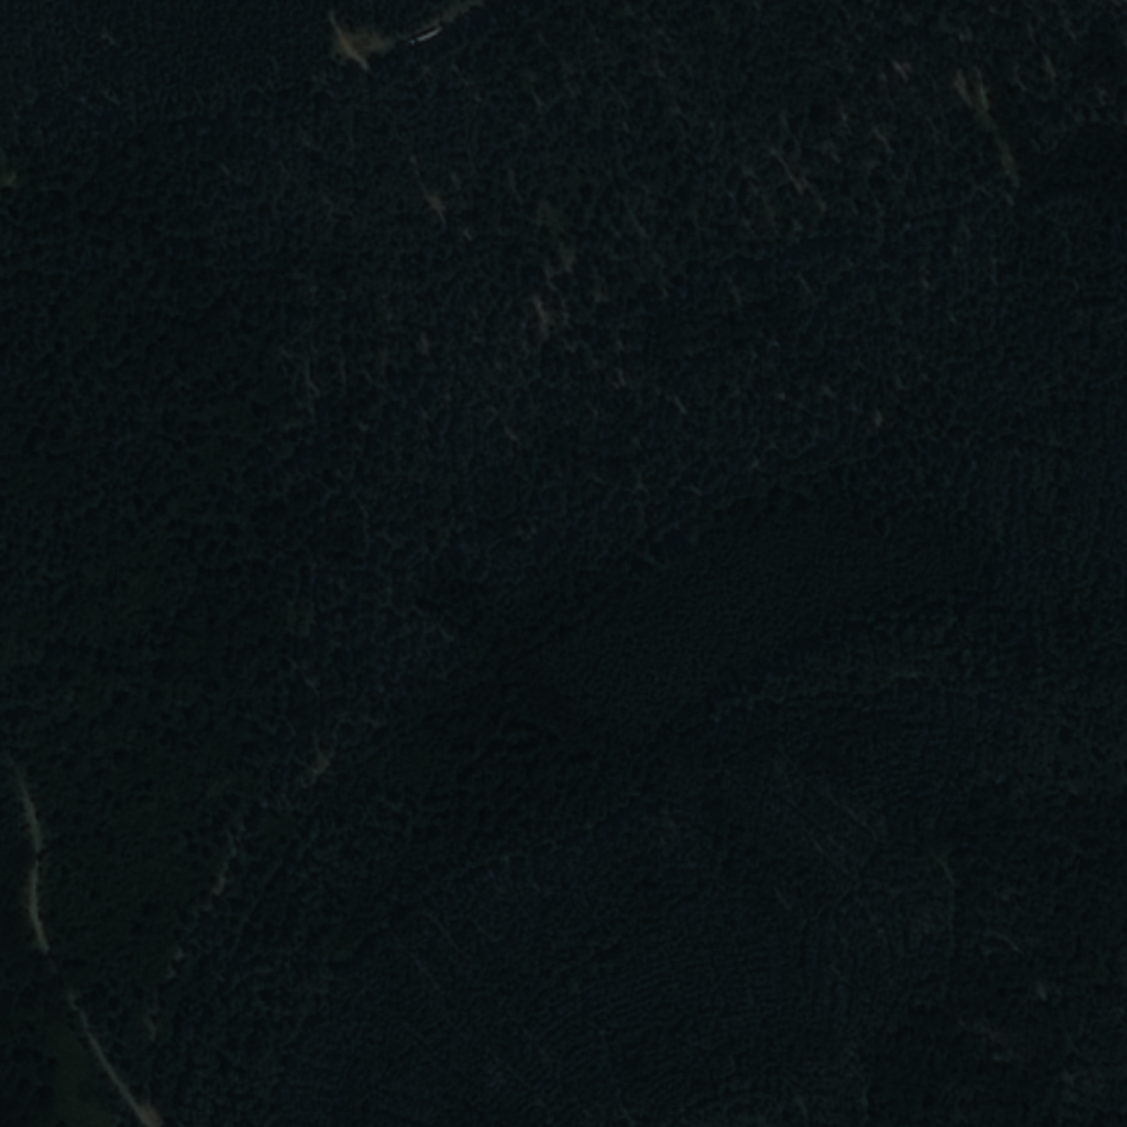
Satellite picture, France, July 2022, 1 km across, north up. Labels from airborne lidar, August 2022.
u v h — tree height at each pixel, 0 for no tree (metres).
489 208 12
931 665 28
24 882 15
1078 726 28
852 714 19
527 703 8
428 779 8
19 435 16
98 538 14
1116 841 25
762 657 7
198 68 26
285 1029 26
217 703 6
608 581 15
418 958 23
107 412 10
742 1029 20
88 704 10
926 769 21
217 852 8
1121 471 24
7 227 33
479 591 16
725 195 12
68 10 30
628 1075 15
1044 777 28
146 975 8
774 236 9
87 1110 0
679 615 9
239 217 24
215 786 13
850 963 20
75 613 20
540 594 7
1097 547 17
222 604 23
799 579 13
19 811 16
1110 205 9
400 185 23
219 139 30
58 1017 12
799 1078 19
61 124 24
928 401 15
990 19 23
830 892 17
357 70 24
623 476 20
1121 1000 23
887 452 14
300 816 16
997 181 27
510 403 26
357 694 26
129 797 11
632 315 25
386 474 15
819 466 13
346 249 14
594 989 21
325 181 25
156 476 27
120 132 23
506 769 19
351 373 11
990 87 8
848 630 19
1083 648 21
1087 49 22
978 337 21
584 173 21
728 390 20
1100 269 6
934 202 19
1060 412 21
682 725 8
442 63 27
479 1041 19
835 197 19
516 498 20
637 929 21
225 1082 29
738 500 20
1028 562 29
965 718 26
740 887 17
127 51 20
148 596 9
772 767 20
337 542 23
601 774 13
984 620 22
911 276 24
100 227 21
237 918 16
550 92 26
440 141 24
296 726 21
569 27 22
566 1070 17
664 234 22
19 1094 22
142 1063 8
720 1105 15
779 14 23
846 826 17
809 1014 17
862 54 17
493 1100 19
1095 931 17
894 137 10
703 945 23
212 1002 14
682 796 20
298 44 25
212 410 8
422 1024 20
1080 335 25
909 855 15
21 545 18
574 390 22
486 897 24
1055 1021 19
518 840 16
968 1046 21
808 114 18
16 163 8
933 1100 28
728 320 22
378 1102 23
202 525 13
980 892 20
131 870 6
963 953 18
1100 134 8
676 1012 19
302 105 28
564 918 19
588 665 11
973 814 15
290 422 13
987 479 26
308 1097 20
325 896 8
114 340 20
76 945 9
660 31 12
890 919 19
